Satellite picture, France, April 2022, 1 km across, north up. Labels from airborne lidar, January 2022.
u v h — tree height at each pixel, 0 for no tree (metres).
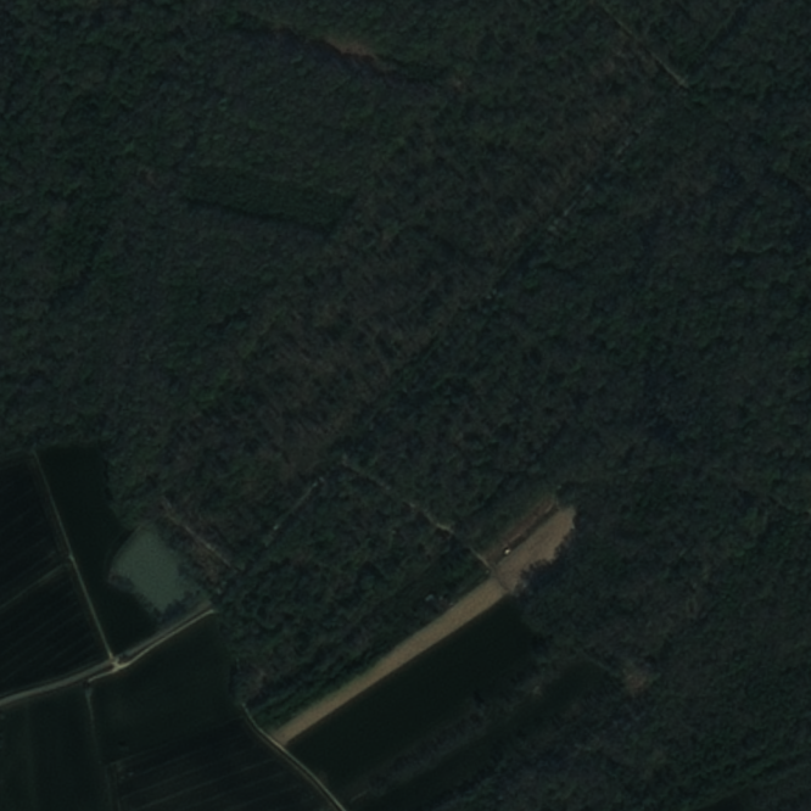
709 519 28
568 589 35
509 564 0
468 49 33
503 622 0
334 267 37
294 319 34
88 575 0
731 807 0
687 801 14
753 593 23
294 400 36
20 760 0
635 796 30
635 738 32
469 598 0
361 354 35
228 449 33
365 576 25
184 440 35
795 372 29
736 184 33
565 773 33
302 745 0
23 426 31
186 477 35
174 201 29
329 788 0
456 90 34
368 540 33
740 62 27
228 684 0
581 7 33
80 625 0
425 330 40
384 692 0
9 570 0
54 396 30
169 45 27
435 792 0
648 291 29
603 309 25
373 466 31
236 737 0
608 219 24
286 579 29
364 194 28
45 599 0
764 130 28
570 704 0
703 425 26
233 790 0
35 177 29
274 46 34
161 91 28
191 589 0
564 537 0
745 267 25
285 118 36
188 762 0
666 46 35
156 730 0
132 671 0
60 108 27
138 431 32
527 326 30
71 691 0
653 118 20
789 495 31
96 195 14
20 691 0
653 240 28
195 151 29
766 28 24
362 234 34
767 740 25
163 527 16
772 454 30
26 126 26
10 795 0
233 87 35
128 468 28
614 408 37
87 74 31
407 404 32
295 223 28
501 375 30
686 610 28
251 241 33
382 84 34
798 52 26
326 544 31
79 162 12
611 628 32
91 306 28
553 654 30
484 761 0
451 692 0
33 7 29
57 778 0
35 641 0
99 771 0
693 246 30
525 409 36
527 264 10
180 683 0
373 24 34
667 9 28
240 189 19
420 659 0
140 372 33
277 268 33
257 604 27
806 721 26
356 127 27
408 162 35
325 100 39
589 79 37
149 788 0
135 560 0
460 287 34
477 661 0
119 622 0
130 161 25
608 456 35
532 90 36
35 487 0
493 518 32
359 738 0
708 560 33
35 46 28
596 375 31
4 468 0
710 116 23
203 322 33
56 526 0
